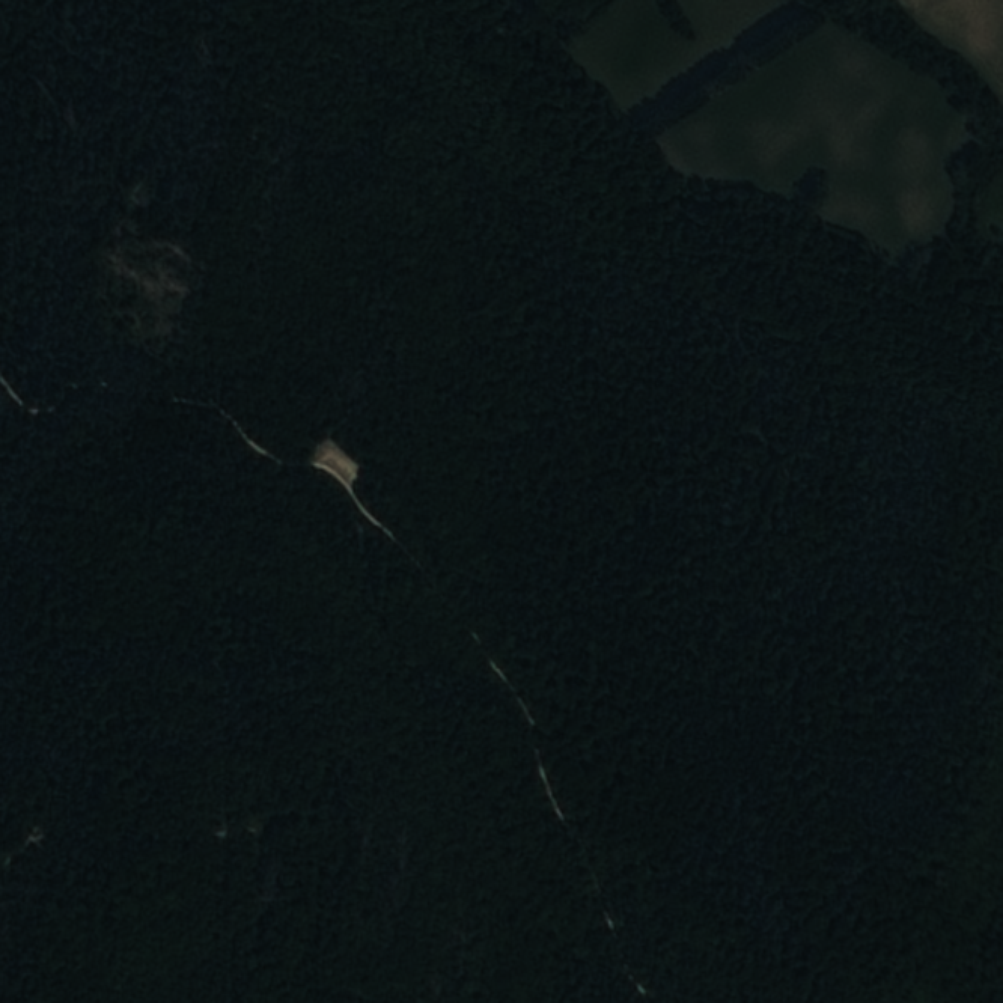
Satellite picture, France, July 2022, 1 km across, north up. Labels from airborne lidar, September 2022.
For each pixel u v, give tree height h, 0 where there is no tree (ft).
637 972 58
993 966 107
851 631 92
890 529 73
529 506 61
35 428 70
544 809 44
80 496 60
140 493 48
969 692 63
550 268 48
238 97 58
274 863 67
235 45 58
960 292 57
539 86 81
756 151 0
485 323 49
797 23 91
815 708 80
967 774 72
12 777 66
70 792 49
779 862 84
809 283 60
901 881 82
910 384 45
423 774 41
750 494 89
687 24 44
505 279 55
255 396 45
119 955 35
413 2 89
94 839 72
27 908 47
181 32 80
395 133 32
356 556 58
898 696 87
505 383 51
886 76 0
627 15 0
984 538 54
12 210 55
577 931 68
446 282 52
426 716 63
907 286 95
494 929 52
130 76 74
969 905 90
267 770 55
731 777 71
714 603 56
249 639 75
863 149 0
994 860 86
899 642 84
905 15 20
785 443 75
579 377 65
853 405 78
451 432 55
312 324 45
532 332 46
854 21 59
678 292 49
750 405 80
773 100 0
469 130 66
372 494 50
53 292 86
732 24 0
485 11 93
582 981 70
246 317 42
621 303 86
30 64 63
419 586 53
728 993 50
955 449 58
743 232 92
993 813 73
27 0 72
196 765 45
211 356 47
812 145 0
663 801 63
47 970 43
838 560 81
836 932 64
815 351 77
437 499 40
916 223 0
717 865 71
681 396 56
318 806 82
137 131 52
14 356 24
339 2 44
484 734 53
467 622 51
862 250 96
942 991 88
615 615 71
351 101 37
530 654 78
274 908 53
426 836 54
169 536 41
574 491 62
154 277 45
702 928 49
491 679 38
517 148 61
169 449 70
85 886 64
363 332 53
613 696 77
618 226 88
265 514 48
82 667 65
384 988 39
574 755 75
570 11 26
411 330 43
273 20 54
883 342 73
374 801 40
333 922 55
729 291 92
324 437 34
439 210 49
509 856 60
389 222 56
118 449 53
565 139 104
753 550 58
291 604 48
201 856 60
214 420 49
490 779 77
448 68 67
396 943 42
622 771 53
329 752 47
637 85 0
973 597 81
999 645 46
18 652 88
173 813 46
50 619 50
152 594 49
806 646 88
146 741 66
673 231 92
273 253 31
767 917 105
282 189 47
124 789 72
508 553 60
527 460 55
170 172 85
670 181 82
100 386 62
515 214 50
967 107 79
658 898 58
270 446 39
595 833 70
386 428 52
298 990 61
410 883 45
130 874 64
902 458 71
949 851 59
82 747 65
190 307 67
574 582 81
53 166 71
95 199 83
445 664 47
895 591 89
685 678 62
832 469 68
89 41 91
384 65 55
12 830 51
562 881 57
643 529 65
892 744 97
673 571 79
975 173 68
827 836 79
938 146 0
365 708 45
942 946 90
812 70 0
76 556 58
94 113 108
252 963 52
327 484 33
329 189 44
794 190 0
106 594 61
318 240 39
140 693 59
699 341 87
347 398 37
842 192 0
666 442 33
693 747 70
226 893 35
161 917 45
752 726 61
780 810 63
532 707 66
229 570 52
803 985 68
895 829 78
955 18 0
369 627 52
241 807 37
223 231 45
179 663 82
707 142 0
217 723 54
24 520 71
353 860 61
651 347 84
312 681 50
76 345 73
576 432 67
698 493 58
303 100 43
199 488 62
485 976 52
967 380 82
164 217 46
